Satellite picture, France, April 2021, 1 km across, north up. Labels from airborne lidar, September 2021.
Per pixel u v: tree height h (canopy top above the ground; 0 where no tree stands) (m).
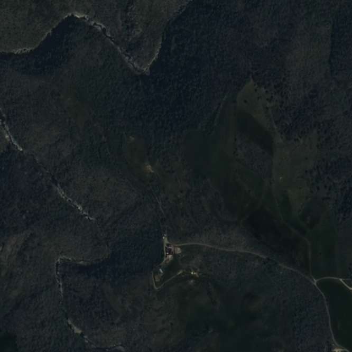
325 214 0
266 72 15
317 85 11
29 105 10
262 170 10
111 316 12
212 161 0
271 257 8
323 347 10
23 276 11
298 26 13
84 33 9
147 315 0
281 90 15
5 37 8
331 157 9
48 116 13
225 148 0
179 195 0
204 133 7
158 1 13
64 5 7
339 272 0
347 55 11
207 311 0
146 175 0
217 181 0
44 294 9
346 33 12
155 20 8
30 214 20
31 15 14
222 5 10
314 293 11
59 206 10
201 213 6
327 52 10
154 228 9
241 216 0
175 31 7
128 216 7
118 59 12
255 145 8
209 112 8
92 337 9
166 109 14
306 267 0
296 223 0
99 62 13
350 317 0
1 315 9
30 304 9
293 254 0
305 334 13
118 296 0
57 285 6
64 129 11
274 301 13
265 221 0
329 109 9
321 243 0
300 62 9
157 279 0
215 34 12
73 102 0
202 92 6
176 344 0
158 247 8
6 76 7
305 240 0
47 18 6
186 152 0
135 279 0
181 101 7
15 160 8
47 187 11
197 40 12
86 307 15
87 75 12
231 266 10
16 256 8
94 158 9
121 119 9
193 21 11
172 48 9
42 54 6
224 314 0
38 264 10
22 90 7
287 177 0
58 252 7
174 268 0
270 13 12
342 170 16
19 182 18
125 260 14
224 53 14
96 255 7
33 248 9
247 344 0
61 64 16
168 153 11
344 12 9
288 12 13
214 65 14
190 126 7
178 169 0
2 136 6
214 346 0
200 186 10
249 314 0
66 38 8
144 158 0
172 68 6
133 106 9
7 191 20
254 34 12
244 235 5
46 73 10
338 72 9
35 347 8
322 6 12
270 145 0
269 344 0
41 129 10
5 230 11
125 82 11
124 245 9
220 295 0
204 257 8
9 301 9
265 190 0
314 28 9
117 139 0
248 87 0
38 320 15
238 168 0
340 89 12
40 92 14
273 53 15
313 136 0
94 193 7
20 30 9
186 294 0
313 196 0
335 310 0
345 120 8
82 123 0
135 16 6
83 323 7
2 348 0
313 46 7
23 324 12
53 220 6
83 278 7
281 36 10
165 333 0
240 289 6
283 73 12
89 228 9
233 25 10
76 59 10
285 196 0
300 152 0
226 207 0
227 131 0
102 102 10
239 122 0
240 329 0
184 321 0
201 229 6
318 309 12
